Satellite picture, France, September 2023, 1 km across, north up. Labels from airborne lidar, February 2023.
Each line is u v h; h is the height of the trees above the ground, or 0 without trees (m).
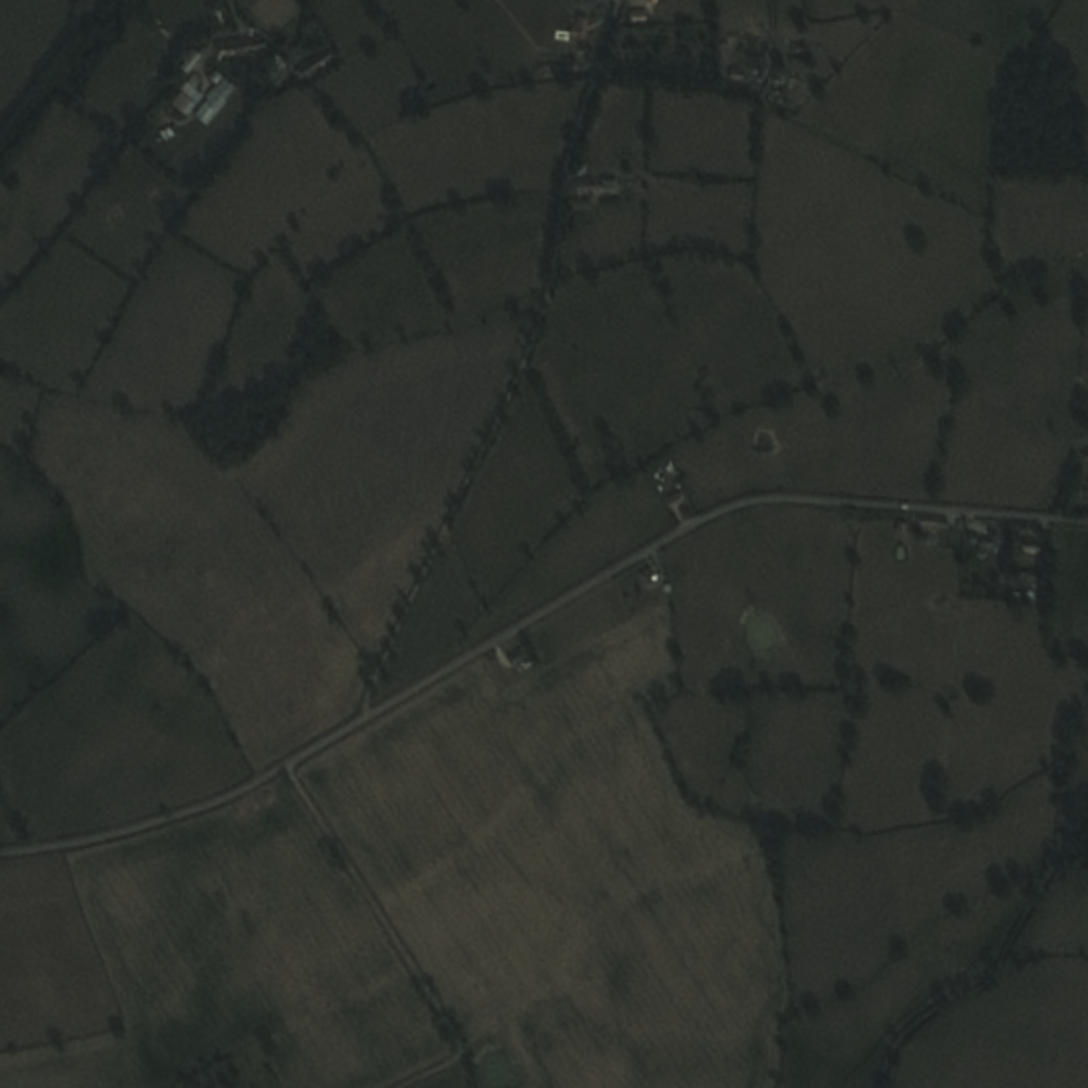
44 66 11
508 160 0
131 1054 0
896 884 0
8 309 0
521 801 0
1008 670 0
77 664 0
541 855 0
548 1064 0
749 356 0
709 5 15
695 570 0
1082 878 0
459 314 0
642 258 8
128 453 0
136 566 0
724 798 0
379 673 17
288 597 0
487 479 0
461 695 0
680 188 0
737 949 0
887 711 0
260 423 12
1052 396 0
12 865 0
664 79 13
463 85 0
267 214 0
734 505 0
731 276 0
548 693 0
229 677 0
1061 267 0
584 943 0
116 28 20
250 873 0
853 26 0
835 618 0
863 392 0
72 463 0
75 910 0
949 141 0
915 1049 0
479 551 0
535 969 0
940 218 0
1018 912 0
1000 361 0
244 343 0
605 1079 0
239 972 0
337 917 0
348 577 0
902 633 0
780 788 0
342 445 0
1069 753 15
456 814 0
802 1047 0
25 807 0
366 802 0
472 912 0
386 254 0
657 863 0
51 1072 0
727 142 0
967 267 0
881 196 0
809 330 0
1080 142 20
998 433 0
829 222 0
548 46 0
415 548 0
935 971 0
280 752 0
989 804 15
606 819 0
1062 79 19
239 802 0
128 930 0
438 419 0
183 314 0
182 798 0
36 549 0
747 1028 0
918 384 0
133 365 0
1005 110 21
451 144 0
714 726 0
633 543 0
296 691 0
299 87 6
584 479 13
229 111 0
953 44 0
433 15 0
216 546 0
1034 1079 0
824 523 0
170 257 0
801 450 0
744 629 0
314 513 0
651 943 0
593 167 0
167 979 0
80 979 0
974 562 0
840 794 14
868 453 0
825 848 0
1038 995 0
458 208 13
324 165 0
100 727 0
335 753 0
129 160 0
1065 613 0
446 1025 16
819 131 0
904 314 0
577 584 0
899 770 0
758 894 0
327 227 0
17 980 0
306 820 0
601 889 0
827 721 0
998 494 0
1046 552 14
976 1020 0
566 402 0
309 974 0
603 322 0
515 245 0
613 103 0
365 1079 0
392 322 0
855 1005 0
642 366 0
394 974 0
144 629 0
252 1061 0
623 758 0
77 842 0
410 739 0
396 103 0
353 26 0
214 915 0
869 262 0
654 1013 0
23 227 0
